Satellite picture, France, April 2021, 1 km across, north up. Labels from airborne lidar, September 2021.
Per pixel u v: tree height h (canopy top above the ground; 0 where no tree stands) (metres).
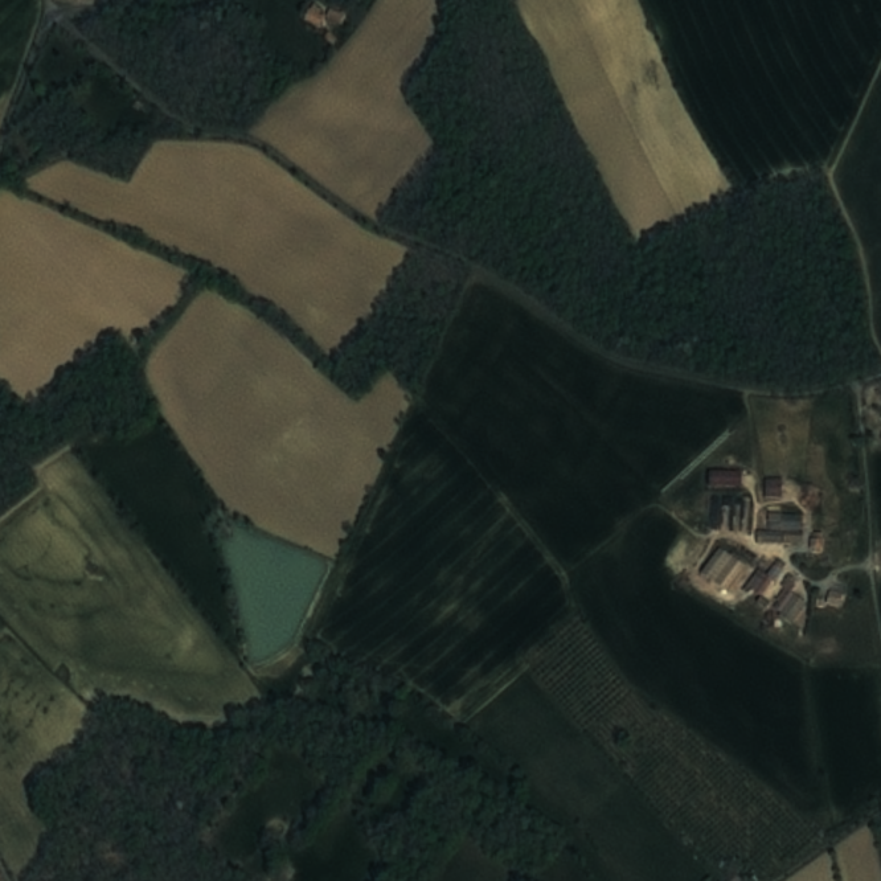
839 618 0
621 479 0
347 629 0
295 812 0
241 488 0
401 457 0
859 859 0
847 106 0
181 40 23
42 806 24
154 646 0
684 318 27
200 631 0
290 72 13
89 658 0
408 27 0
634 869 0
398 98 0
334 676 21
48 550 0
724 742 0
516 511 0
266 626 0
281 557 0
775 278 24
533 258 24
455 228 19
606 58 0
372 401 0
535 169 24
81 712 0
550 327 0
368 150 0
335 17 0
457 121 22
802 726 0
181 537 0
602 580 0
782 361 21
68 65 0
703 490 0
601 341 16
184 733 22
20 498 18
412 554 0
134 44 22
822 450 0
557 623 0
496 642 0
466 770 17
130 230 14
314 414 0
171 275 0
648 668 0
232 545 0
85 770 23
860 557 0
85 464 21
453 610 0
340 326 0
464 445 0
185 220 0
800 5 0
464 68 17
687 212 0
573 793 0
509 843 22
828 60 0
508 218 24
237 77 15
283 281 0
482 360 0
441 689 0
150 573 0
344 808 15
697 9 0
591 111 0
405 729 18
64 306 0
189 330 0
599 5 0
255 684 0
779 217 22
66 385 17
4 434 19
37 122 18
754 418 0
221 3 18
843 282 25
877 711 0
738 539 0
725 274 21
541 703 0
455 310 17
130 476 0
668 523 0
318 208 0
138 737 24
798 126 0
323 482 0
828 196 18
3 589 0
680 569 0
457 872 0
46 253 0
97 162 17
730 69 0
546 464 0
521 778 15
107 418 25
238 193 0
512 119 25
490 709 0
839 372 20
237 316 0
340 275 0
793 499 0
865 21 0
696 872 0
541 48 14
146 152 19
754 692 0
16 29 0
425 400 0
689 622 0
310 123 0
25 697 0
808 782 0
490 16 21
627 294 27
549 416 0
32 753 0
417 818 17
